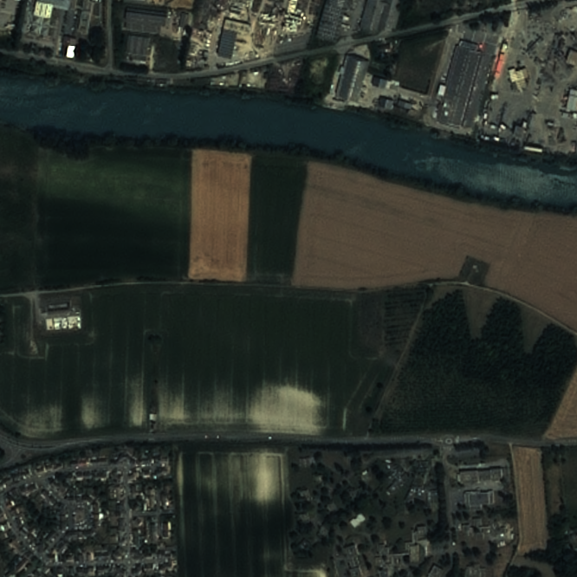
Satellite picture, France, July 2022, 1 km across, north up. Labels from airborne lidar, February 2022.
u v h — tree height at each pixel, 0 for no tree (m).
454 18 0
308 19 0
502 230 0
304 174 0
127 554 0
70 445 0
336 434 0
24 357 0
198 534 0
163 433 0
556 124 0
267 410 0
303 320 0
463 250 0
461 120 0
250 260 0
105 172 0
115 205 0
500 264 0
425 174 0
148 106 0
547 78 0
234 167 0
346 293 0
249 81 0
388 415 0
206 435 0
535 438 0
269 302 0
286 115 0
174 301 0
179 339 0
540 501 0
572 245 0
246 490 0
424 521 0
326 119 0
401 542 7
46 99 0
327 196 0
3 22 0
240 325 0
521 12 0
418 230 0
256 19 0
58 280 0
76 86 0
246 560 0
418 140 0
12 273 0
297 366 0
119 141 7
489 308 0
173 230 0
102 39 25
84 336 0
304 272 0
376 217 0
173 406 0
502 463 0
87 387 0
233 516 0
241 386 0
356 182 0
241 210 0
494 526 0
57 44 0
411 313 0
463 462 0
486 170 0
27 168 0
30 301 0
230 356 0
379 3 0
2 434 0
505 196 0
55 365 0
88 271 0
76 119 0
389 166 0
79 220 0
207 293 0
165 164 0
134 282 0
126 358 0
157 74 0
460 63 0
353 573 0
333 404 0
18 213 0
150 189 0
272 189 0
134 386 0
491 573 0
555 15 0
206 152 0
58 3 0
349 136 0
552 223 0
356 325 0
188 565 0
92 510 0
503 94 0
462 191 11
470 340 9
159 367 0
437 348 7
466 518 13
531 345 0
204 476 0
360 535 0
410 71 0
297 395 0
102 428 0
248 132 0
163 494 6
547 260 0
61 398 0
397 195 0
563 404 0
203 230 0
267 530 0
